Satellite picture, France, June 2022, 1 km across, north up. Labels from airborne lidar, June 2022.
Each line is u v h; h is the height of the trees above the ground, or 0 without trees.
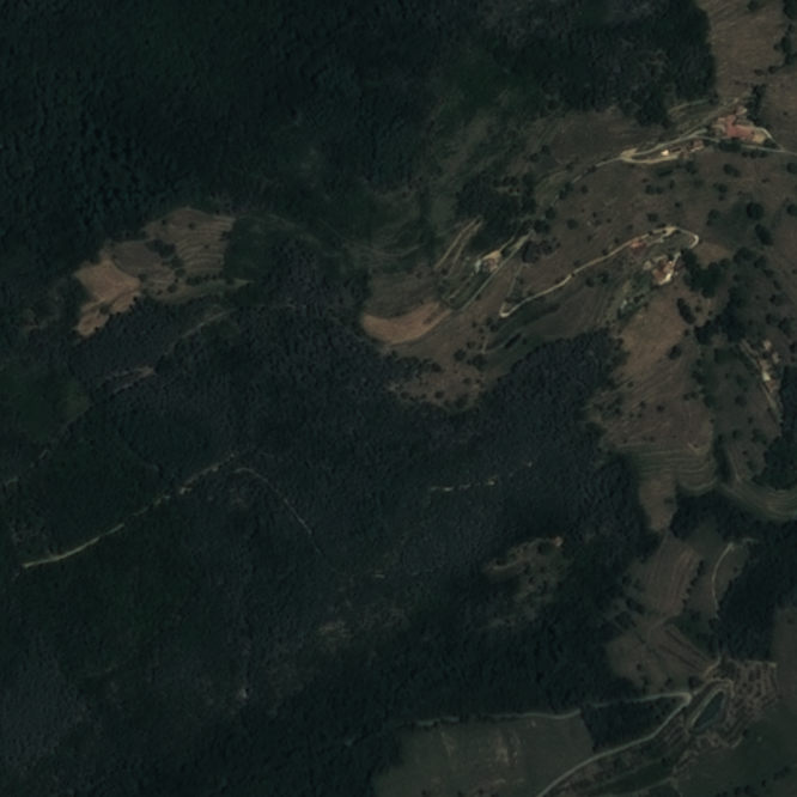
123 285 0
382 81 10
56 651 11
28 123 20
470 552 9
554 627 22
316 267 8
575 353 14
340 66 23
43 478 12
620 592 15
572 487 16
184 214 0
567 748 0
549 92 18
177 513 8
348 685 19
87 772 9
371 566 6
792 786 0
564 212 0
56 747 16
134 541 9
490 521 10
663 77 9
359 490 13
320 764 14
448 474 8
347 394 10
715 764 0
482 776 0
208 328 7
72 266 13
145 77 26
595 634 11
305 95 10
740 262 14
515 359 0
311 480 13
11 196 13
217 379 26
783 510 0
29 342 12
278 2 24
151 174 6
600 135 0
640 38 11
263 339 20
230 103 20
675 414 0
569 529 10
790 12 18
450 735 0
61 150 16
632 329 0
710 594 0
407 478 12
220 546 12
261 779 17
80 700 14
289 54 24
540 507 19
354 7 29
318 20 27
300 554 10
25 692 14
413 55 16
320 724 17
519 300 9
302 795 13
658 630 0
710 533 0
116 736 13
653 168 0
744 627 6
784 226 0
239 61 28
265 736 17
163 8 24
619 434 0
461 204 12
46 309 7
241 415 10
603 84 11
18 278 7
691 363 0
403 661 20
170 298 0
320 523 9
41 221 16
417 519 9
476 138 0
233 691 10
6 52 20
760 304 0
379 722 18
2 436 11
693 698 0
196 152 16
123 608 7
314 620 6
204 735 9
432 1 16
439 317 0
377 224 0
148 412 20
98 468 13
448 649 12
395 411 14
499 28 9
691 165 9
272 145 6
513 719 7
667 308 0
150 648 6
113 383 20
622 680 8
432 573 12
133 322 16
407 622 6
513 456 10
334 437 15
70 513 11
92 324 0
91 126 29
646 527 14
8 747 13
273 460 13
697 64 17
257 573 16
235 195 10
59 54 22
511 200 7
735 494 0
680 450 0
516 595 7
